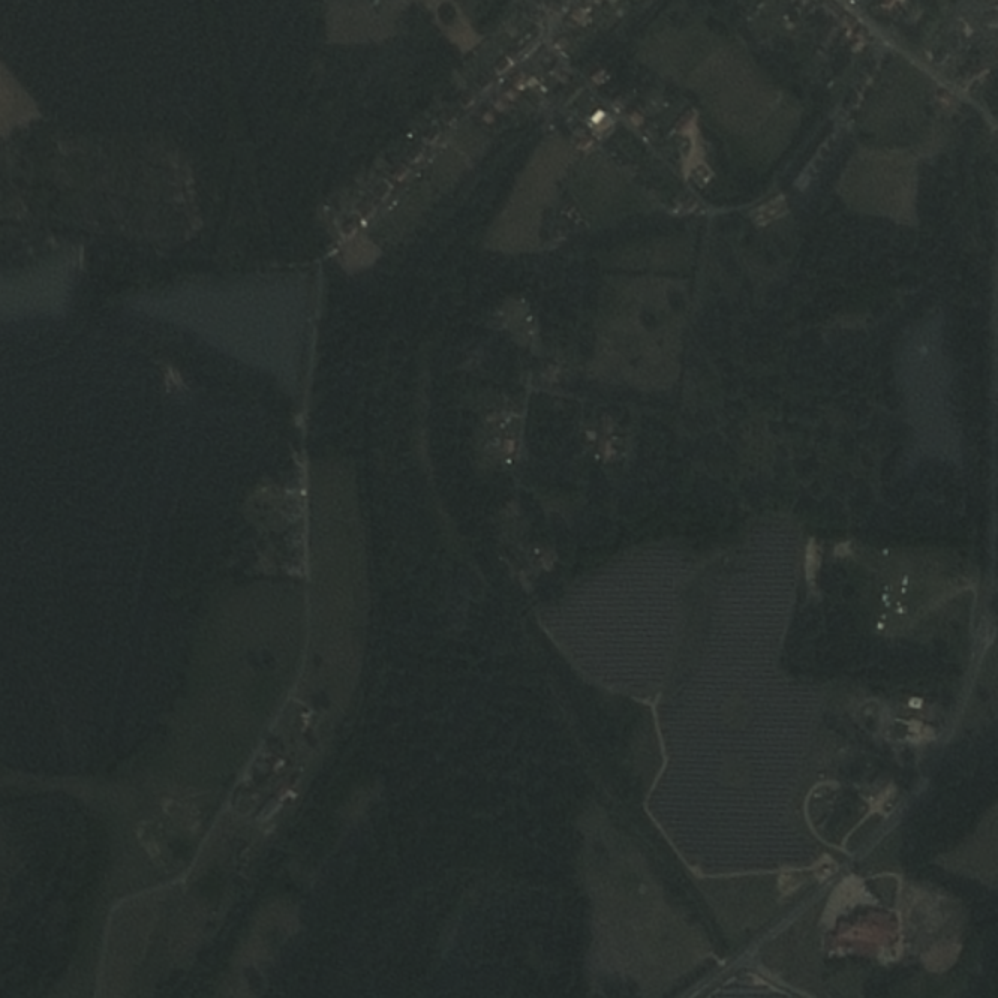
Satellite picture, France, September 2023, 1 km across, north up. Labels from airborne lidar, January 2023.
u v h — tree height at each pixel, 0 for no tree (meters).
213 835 0
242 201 9
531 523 20
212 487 27
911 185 0
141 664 26
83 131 17
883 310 11
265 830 0
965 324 13
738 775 0
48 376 22
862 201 0
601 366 0
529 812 19
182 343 21
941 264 14
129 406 36
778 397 15
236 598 0
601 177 0
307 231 16
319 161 16
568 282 8
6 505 28
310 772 0
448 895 13
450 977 20
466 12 0
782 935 0
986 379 14
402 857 14
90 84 20
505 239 0
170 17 20
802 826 0
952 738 0
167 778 0
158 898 0
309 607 0
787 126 0
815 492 19
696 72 0
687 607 0
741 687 0
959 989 0
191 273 18
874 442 12
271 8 17
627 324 0
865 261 10
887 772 12
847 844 0
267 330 0
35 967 15
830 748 0
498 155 8
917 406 0
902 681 8
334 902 22
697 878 0
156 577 23
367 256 0
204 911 0
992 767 20
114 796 0
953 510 16
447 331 9
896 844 0
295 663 0
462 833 20
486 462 0
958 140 0
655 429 14
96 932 0
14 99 0
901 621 0
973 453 21
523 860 22
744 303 14
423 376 0
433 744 30
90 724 24
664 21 0
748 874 0
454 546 0
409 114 8
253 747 0
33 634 24
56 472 29
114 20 21
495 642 26
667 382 0
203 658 0
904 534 26
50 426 27
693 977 6
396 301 9
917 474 12
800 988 0
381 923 25
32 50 21
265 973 0
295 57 21
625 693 0
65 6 13
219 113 19
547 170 0
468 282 20
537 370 10
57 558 19
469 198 9
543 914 12
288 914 0
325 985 25
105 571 23
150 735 15
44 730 23
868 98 6
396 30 0
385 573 8
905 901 0
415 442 0
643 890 0
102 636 26
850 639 22
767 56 13
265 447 24
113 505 27
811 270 17
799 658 22
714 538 6
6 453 27
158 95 17
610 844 0
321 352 7
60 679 24
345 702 0
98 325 27
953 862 0
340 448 10
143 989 0
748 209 0
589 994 0
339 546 0
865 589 0
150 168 0
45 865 0
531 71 0
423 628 11
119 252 20
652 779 0
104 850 0
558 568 7
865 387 11
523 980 6
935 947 0
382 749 12
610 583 0
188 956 0
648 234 19
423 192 0
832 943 0
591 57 7
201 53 15
